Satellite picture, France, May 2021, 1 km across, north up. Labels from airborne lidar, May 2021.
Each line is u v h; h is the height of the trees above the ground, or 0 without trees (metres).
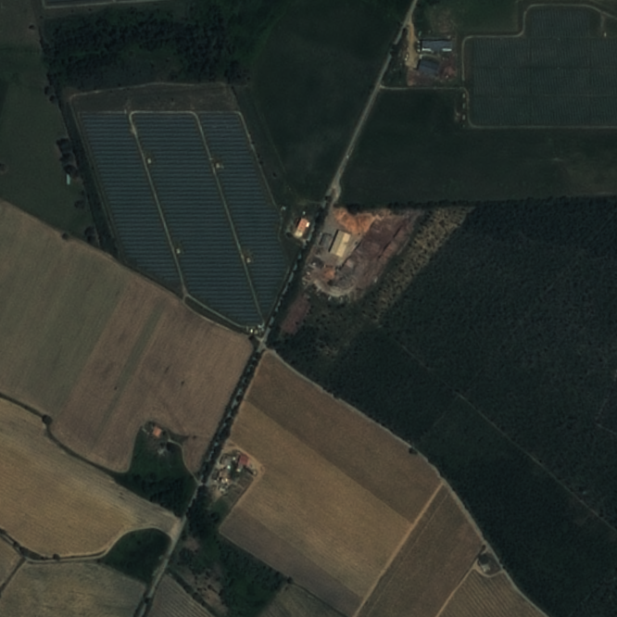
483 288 11
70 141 15
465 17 0
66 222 0
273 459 0
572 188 0
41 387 0
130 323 0
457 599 0
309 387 0
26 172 0
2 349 0
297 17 0
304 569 0
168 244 0
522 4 0
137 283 0
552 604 6
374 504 0
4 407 0
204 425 0
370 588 0
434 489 0
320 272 0
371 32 0
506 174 0
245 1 7
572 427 18
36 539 0
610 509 13
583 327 13
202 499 12
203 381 0
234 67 24
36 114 0
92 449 0
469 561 0
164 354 0
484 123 0
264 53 0
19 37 0
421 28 0
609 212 7
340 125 0
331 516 0
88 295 0
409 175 0
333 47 0
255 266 0
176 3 0
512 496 8
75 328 0
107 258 0
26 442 0
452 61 0
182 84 0
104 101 0
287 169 0
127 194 0
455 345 12
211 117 0
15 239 0
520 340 12
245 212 0
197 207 0
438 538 0
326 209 13
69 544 0
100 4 0
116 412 0
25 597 0
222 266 0
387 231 0
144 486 11
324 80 0
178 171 0
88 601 0
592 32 0
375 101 0
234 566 7
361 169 0
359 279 0
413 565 0
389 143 0
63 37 9
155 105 0
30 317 0
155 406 0
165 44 14
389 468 0
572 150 0
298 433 0
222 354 0
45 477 0
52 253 0
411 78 0
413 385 8
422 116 0
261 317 0
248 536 0
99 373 0
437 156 0
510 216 8
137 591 0
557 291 11
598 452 18
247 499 0
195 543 0
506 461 6
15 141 0
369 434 0
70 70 13
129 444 0
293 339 7
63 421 0
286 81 0
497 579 0
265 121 0
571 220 7
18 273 0
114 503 0
